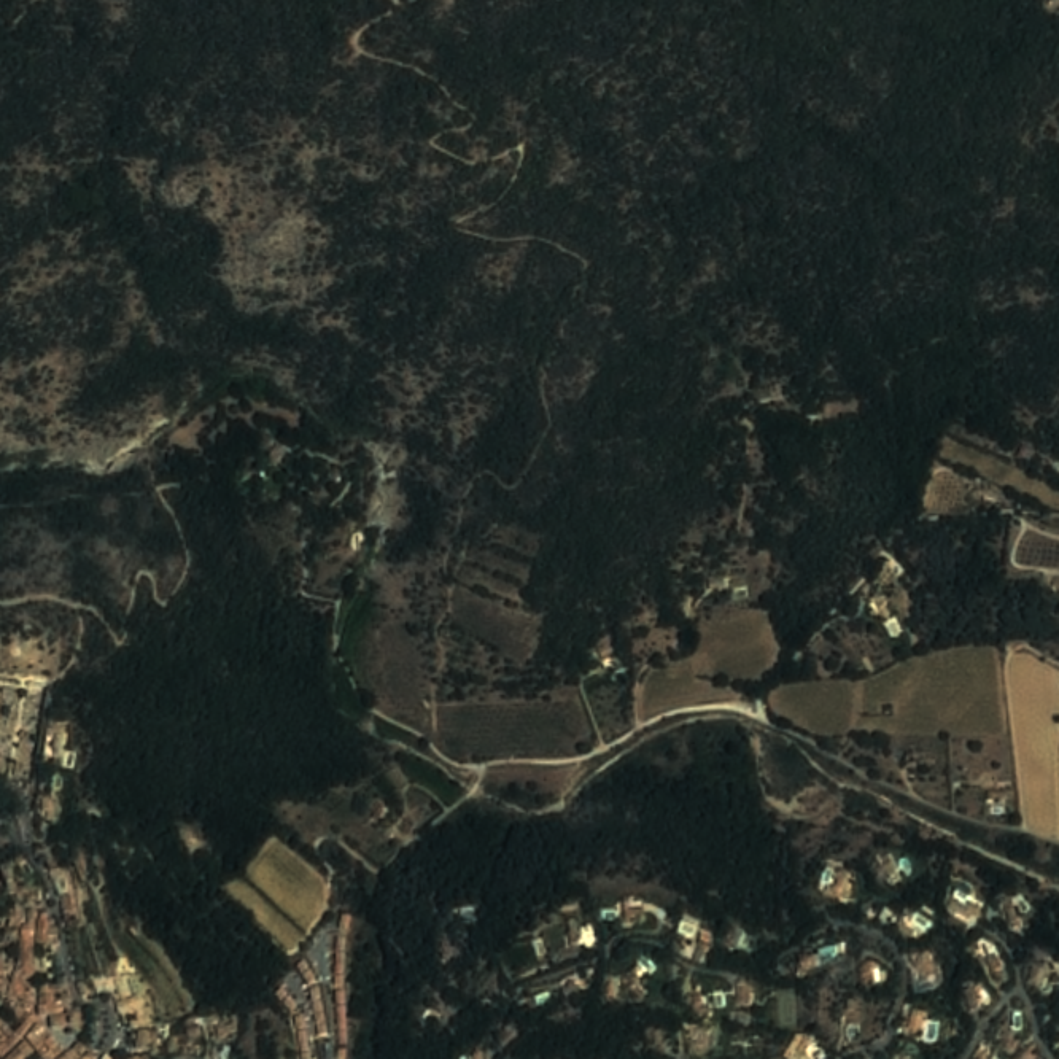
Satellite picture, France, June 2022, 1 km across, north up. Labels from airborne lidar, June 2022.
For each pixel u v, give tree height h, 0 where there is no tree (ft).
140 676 39
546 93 26
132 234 31
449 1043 34
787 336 28
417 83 21
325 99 19
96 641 21
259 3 25
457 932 31
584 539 21
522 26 29
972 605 48
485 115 28
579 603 21
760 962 47
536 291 22
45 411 0
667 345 25
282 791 40
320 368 19
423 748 31
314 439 56
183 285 26
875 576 34
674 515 20
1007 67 30
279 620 58
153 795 45
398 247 30
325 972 0
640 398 19
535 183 21
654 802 32
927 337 31
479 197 22
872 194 24
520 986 32
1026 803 0
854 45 19
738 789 42
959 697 0
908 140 21
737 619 0
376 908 53
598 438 24
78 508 18
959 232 21
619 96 23
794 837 29
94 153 30
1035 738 0
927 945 29
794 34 31
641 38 22
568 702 0
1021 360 18
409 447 22
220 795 40
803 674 42
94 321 20
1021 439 28
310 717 36
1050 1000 24
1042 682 0
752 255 25
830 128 31
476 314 22
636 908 0
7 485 18
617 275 22
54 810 0
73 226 31
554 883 33
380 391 22
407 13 32
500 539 24
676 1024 46
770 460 38
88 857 24
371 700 39
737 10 29
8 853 35
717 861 39
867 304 17
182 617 35
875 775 37
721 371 18
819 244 29
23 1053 0
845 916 32
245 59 18
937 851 26
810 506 23
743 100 24
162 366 31
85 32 31
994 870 38
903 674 0
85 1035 37
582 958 28
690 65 29
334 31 22
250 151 22
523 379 31
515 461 24
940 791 0
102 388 25
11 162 21
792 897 33
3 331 22
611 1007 34
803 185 32
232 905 48
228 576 24
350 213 26
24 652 0
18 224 19
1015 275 22
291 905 0
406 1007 44
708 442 24
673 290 21
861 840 0
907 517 39
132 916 50
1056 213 25
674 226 46
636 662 20
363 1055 29
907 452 36
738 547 39
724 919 23
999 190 27
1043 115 34
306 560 22
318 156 0
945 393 27
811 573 28
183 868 58
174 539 24
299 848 36
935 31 29
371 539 32
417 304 28
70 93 25
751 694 43
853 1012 0
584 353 18
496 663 34
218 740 31
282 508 22
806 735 25
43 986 50
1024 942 33
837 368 29
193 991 29
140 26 22
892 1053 34
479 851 56
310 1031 0
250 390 33
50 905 26
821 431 35
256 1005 48
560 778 0
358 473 39
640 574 26
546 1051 28
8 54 25
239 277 0
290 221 0
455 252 31
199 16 35
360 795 31
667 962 31
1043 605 39
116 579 0
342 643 24
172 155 19
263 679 26
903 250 30
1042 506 28
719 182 36
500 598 20
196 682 25
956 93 23
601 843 22
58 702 37
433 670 18
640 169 23
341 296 26
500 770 0
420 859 42
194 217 31
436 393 22
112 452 0
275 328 31
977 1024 28
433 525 26
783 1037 22
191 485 34
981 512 30
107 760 34
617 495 23
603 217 22
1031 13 31
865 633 36
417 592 20
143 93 35
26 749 0
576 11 19
